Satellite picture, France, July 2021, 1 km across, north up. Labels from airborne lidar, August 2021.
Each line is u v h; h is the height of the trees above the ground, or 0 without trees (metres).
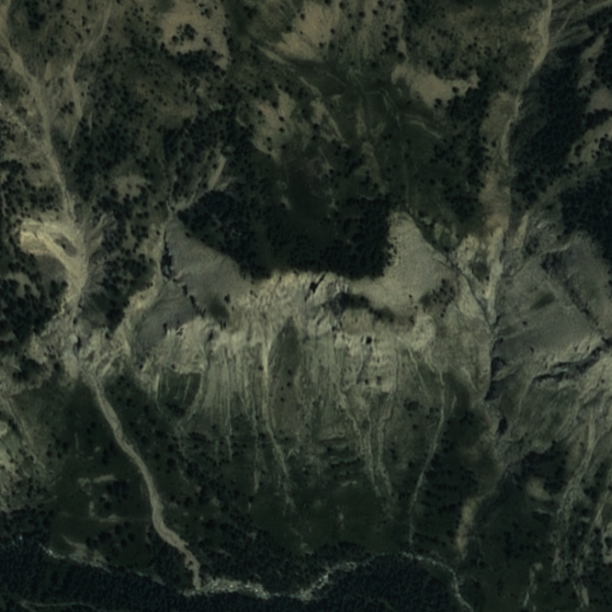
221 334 0
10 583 16
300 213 0
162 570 21
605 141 14
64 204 0
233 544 6
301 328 0
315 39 0
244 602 21
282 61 0
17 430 10
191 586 5
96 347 0
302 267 8
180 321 0
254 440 0
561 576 0
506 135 0
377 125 0
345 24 0
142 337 0
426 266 0
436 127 0
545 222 0
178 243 0
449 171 0
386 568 22
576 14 0
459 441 0
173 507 0
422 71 0
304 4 0
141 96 0
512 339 0
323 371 0
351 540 0
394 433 0
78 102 0
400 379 0
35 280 14
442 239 0
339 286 0
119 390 0
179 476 0
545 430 0
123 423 0
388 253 6
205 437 9
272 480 0
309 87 0
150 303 0
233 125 13
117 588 24
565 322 0
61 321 0
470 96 12
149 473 0
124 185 0
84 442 0
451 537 15
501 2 0
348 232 14
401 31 0
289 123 0
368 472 0
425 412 0
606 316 0
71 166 8
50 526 24
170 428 0
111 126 7
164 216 0
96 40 0
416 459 0
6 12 0
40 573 22
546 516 12
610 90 11
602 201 15
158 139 0
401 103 0
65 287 10
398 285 0
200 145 8
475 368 0
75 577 17
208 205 15
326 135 0
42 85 0
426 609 15
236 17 0
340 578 14
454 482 0
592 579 11
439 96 0
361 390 0
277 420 0
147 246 0
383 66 0
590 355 0
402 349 0
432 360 0
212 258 0
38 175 0
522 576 0
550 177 19
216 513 0
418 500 0
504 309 0
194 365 0
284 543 0
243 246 9
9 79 0
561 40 0
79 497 0
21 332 19
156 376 0
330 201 0
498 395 0
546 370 0
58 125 0
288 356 0
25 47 0
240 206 14
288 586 16
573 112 16
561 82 18
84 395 0
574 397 0
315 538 0
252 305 0
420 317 0
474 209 11
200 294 0
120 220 16
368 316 0
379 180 0
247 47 0
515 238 0
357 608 21
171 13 0
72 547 0
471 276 0
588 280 0
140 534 0
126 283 9
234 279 0
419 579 16
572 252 0
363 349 0
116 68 0
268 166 0
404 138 0
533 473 8
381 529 0
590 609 0
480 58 7
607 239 8
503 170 0
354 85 0
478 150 10
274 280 0
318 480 0
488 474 0
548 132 11
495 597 0
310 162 0
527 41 0
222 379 0
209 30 0
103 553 0
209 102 0
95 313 0
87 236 0
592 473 0
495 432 0
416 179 6
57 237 0
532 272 0
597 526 0
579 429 0
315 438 0
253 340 0
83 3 0
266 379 0
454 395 0
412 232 0
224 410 0
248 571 9
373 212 14
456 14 0
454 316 0
